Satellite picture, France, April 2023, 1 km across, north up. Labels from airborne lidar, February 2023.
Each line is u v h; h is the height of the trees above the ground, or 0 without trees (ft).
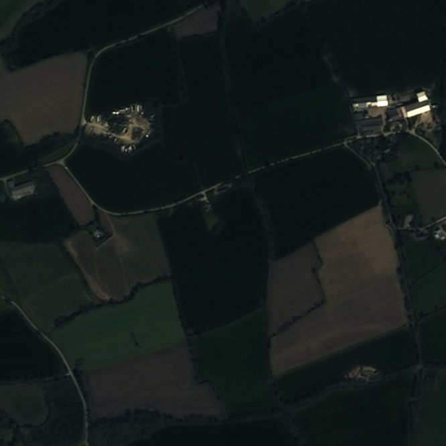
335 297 0
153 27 0
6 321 0
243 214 0
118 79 0
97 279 0
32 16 37
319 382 0
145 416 41
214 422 49
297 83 0
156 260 0
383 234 0
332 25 0
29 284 0
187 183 0
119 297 0
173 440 0
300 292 0
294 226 0
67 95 0
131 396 0
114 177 0
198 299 0
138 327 0
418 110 0
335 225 0
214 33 29
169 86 0
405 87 0
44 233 0
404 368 32
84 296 0
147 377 0
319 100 0
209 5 54
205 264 0
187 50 0
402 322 0
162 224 0
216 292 0
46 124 0
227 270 0
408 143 0
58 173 0
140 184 0
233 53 0
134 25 0
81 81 0
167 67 0
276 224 0
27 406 0
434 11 0
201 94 0
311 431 0
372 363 0
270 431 0
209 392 0
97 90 0
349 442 0
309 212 0
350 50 0
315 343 0
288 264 0
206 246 0
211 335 0
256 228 0
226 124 0
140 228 0
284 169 0
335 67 34
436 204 0
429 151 0
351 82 0
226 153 0
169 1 0
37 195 0
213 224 0
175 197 0
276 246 0
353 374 0
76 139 28
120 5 0
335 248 0
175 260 0
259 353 0
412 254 0
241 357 0
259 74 0
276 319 0
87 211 0
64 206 32
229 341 0
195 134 0
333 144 0
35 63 28
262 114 0
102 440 56
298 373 0
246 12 40
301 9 52
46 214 0
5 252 0
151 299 0
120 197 0
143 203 0
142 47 0
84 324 0
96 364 0
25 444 41
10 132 0
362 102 0
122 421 48
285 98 0
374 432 0
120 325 0
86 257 0
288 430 34
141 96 0
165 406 0
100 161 0
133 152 39
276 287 0
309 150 0
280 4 0
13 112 0
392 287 0
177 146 0
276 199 0
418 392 44
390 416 0
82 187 0
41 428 30
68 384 0
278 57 0
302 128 0
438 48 0
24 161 0
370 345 0
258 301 0
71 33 0
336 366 0
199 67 0
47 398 29
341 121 0
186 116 0
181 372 0
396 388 0
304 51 0
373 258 0
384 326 0
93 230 0
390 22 0
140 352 0
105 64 0
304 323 0
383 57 0
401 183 46
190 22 0
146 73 0
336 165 0
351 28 0
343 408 0
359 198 0
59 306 0
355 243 0
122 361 0
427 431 0
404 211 0
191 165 0
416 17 0
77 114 0
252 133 0
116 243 0
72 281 0
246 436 0
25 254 0
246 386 0
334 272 0
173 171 0
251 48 0
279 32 0
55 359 0
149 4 0
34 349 0
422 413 0
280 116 0
